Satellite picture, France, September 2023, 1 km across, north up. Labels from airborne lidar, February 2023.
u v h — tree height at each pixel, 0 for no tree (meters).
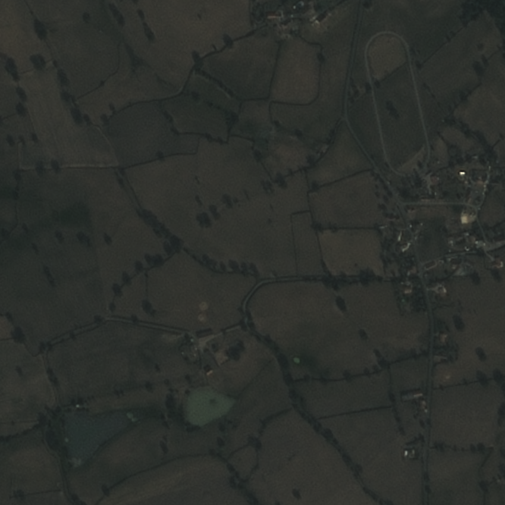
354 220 0
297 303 0
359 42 0
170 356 0
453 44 0
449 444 0
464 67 0
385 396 0
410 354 0
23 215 0
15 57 0
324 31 0
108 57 0
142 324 0
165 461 0
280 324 0
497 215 0
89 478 0
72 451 0
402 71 0
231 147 0
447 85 0
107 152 0
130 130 0
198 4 0
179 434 0
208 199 0
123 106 0
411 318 0
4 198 0
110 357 0
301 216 0
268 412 0
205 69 0
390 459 0
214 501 0
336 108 0
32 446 0
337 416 0
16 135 0
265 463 0
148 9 0
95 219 0
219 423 0
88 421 0
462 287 0
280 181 20
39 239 0
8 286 0
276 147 0
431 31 0
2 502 0
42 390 0
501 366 0
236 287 0
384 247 6
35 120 0
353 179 0
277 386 0
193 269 0
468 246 0
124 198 0
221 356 0
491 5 13
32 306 0
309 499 0
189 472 0
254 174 0
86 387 0
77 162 0
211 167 0
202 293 0
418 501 0
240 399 0
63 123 0
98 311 0
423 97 0
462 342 0
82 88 0
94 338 0
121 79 0
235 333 0
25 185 0
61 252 0
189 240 0
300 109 0
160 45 0
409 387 0
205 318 0
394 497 0
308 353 0
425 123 0
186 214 0
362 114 0
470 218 0
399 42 0
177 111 0
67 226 0
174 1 0
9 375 0
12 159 0
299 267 0
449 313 0
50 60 0
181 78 0
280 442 0
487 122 0
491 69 0
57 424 0
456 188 0
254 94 0
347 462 12
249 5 0
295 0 0
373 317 0
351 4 0
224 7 0
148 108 0
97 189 0
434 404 0
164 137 0
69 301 0
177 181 0
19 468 0
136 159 0
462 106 0
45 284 0
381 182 7
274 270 0
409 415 0
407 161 0
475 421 0
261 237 0
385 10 0
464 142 0
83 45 0
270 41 0
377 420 0
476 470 0
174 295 0
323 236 0
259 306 0
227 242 0
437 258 0
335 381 0
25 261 0
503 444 0
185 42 0
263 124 0
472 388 0
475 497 0
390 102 0
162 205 0
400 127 0
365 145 0
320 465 0
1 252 0
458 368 0
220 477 0
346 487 0
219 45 0
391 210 0
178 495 0
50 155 0
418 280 6
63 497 0
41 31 19
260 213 0
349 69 0
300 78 0
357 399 0
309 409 0
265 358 0
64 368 0
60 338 0
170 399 14
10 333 0
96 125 0
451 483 0
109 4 0
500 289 0
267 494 0
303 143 0
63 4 0
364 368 0
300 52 0
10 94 0
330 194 0
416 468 0
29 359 0
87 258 0
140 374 0
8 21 0
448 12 0
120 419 0
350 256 0
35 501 0
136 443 0
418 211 0
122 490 0
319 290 0
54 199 0
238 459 0
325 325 0
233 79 0
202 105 0
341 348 0
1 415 0
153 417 0
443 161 0
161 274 0
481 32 0
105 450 0
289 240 0
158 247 0
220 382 0
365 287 0
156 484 0
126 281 16
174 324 0
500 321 0
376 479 0
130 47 0
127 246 0
